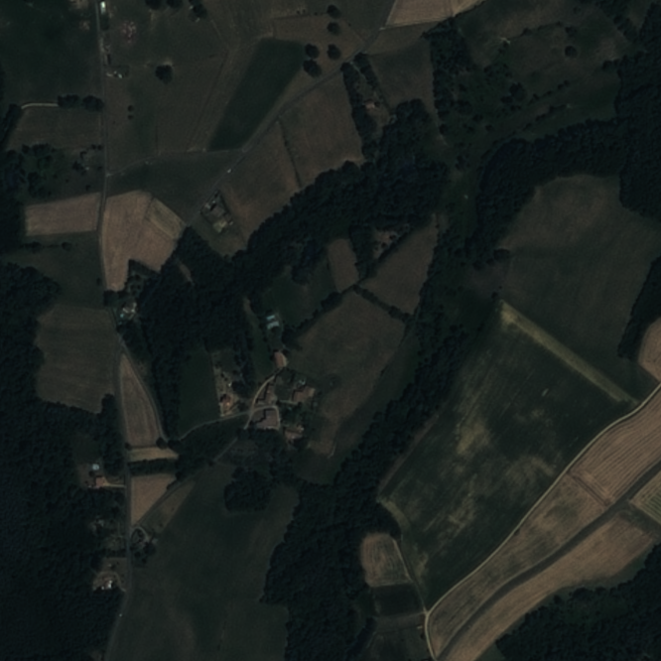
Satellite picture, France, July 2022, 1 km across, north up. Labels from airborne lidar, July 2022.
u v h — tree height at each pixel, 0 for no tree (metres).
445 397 12
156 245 0
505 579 0
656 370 0
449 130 21
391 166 18
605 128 23
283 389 0
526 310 0
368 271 12
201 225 0
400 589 0
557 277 0
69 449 19
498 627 0
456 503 0
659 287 16
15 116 17
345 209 18
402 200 28
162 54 0
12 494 25
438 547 0
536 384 0
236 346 21
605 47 0
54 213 0
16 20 0
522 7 0
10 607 12
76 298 0
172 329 29
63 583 14
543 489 0
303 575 23
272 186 0
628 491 0
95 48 0
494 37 0
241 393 18
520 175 22
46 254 0
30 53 0
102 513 8
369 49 0
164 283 22
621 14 7
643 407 0
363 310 0
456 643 0
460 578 0
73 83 0
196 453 12
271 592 15
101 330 0
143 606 0
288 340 18
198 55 0
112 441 16
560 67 0
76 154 0
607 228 0
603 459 0
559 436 0
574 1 0
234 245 0
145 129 0
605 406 0
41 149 16
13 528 23
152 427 0
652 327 0
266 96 0
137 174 0
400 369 0
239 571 0
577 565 0
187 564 0
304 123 0
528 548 0
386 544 0
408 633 0
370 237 18
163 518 0
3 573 26
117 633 0
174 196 0
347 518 19
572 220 0
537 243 0
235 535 0
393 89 0
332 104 0
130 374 0
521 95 26
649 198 16
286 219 21
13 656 13
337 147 0
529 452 0
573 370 0
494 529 0
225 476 0
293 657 15
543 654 9
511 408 0
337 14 16
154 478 0
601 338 0
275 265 21
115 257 0
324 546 25
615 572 0
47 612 18
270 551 0
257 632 0
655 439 0
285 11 0
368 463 28
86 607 14
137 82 0
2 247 18
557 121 0
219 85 0
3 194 15
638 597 16
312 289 0
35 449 17
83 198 0
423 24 0
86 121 0
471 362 0
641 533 0
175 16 0
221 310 25
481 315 0
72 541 14
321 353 0
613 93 0
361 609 0
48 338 0
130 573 0
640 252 0
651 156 18
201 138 0
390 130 15
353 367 0
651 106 11
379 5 0
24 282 23
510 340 0
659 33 21
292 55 0
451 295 7
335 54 18
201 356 0
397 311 13
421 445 0
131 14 0
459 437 0
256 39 0
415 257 0
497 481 0
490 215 22
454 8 0
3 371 27
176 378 23
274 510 0
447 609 0
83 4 0
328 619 9
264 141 0
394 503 0
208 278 22
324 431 0
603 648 10
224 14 0
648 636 18
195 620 0
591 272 0
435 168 17
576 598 19
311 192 17
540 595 0
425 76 0
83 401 0
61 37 0
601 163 8
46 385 0
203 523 0
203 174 0
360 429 0
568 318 0
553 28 0
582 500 0
